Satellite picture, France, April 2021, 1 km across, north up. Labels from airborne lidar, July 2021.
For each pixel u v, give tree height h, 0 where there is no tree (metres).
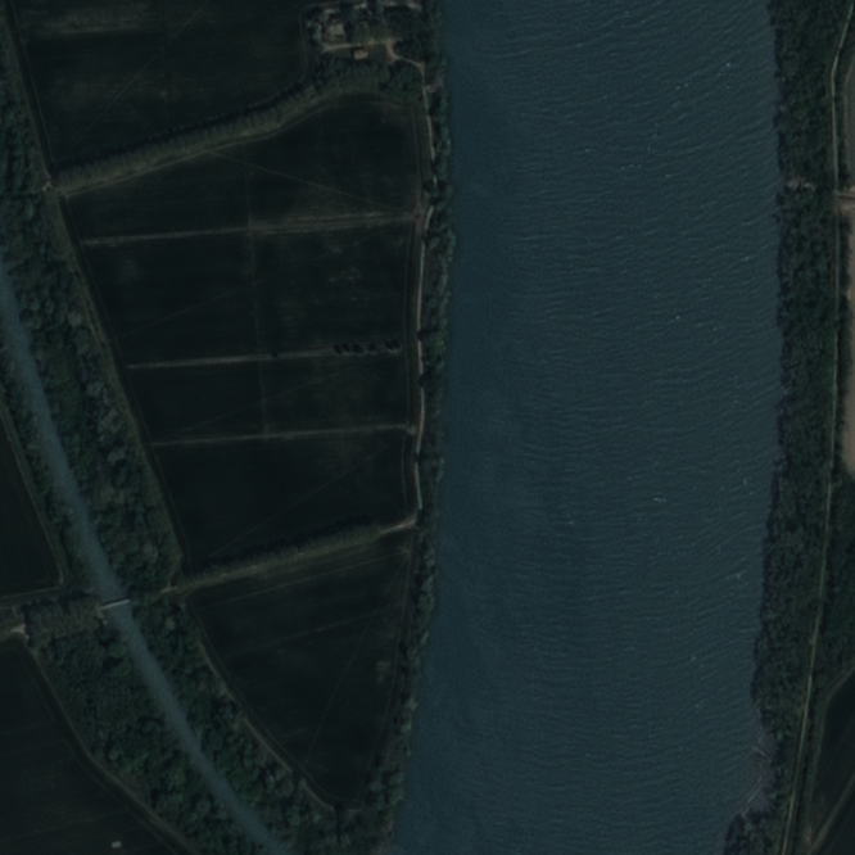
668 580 0
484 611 0
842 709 0
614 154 0
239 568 21
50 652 16
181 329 0
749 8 0
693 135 0
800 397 15
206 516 0
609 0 0
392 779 19
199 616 0
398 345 11
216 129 16
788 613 19
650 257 0
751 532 0
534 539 0
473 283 0
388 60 0
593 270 0
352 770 0
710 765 0
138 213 0
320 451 0
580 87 0
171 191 0
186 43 0
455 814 0
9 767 0
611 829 0
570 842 0
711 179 0
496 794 0
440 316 17
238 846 12
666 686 0
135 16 0
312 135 0
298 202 0
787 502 17
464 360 0
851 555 11
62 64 0
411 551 0
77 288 27
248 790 14
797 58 16
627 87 0
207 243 0
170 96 0
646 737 0
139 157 21
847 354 14
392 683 0
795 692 19
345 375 0
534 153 0
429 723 0
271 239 0
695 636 0
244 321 0
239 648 0
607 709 0
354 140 0
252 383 0
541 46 0
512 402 0
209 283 0
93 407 10
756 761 0
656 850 0
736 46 0
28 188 23
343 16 12
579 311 0
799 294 17
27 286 17
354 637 0
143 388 0
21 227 10
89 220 0
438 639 0
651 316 0
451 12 0
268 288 0
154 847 0
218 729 16
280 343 0
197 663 20
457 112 0
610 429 0
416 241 0
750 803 0
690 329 0
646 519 0
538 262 0
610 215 0
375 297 0
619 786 0
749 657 0
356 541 27
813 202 13
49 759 0
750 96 0
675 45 0
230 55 0
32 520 0
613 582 0
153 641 9
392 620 0
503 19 0
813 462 20
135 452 23
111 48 0
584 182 0
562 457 0
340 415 0
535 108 0
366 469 0
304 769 0
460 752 0
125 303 0
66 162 0
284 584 0
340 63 14
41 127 0
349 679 0
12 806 0
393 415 0
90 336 30
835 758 0
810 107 14
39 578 0
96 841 0
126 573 13
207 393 0
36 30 0
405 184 0
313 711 0
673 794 0
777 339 0
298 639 0
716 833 0
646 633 0
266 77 0
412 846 0
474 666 0
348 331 0
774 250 0
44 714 0
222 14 0
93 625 26
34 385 0
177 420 0
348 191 0
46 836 0
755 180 0
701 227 0
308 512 0
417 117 0
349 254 0
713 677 0
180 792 10
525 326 0
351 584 0
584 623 0
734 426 0
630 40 0
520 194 0
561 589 0
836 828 0
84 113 0
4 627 23
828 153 15
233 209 0
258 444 0
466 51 0
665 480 0
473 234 0
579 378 0
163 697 0
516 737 0
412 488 0
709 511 0
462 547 0
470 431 0
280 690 0
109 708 24
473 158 0
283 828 16
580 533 0
